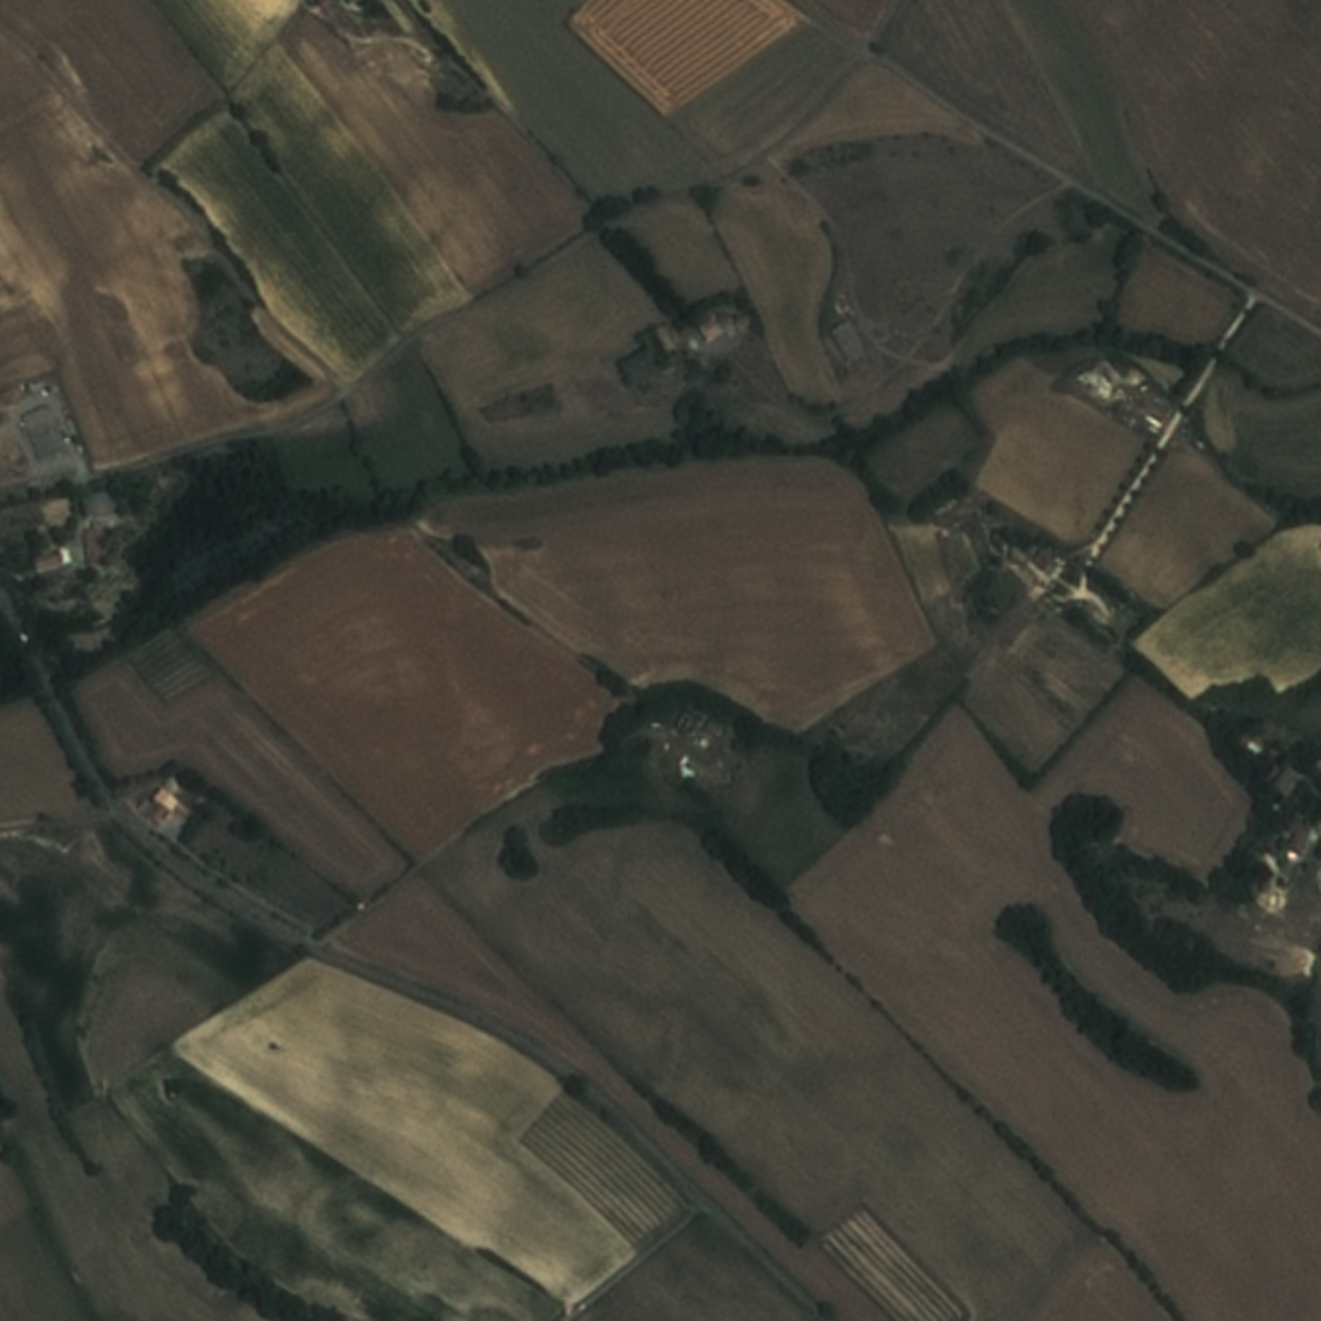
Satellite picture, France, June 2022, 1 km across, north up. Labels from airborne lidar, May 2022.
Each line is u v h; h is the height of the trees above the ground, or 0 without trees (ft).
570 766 18
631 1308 0
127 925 0
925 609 0
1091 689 0
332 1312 24
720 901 0
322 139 0
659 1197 0
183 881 26
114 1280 0
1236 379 0
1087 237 21
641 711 35
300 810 0
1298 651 0
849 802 51
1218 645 0
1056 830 36
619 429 0
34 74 0
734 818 0
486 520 0
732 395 0
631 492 0
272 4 0
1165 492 0
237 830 34
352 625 0
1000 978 0
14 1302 0
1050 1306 0
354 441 25
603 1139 0
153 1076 0
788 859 0
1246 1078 0
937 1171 0
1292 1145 0
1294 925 0
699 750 0
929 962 0
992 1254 0
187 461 28
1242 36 0
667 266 0
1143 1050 57
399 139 0
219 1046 0
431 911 0
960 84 0
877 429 20
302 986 0
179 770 35
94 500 0
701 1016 0
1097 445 0
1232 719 20
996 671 0
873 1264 0
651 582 0
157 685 0
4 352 0
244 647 0
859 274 0
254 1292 31
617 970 0
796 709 0
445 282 0
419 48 0
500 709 0
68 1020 0
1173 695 25
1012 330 0
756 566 0
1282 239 0
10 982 0
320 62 0
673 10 0
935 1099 0
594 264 0
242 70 0
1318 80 0
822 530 0
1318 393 0
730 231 0
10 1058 0
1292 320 0
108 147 0
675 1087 0
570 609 0
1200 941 20
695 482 0
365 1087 0
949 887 0
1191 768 0
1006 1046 0
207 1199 0
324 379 0
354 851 0
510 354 0
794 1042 0
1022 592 0
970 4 0
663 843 0
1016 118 0
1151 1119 0
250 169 0
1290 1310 0
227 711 0
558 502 0
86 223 0
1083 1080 0
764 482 0
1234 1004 0
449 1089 0
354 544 0
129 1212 0
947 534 0
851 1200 0
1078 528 0
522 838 40
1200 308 0
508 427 0
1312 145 0
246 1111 0
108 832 0
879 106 0
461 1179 0
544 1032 0
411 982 0
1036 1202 0
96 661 35
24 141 0
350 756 0
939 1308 0
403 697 0
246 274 27
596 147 0
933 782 0
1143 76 0
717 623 0
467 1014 0
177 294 0
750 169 0
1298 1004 33
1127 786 0
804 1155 0
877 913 0
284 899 0
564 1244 0
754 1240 0
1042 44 0
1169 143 0
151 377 0
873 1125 0
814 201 0
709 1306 0
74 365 0
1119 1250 26
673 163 0
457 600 0
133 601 51
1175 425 0
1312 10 0
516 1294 0
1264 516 0
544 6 0
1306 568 0
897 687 0
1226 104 0
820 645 0
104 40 0
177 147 0
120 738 0
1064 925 0
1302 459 0
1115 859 23
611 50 0
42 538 41
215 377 0
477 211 0
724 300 24
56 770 0
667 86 0
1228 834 0
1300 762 38
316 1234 0
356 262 0
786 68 0
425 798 0
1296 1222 0
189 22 0
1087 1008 56
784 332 0
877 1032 0
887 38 0
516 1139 0
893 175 0
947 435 0
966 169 0
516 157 0
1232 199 0
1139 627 29
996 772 0
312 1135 0
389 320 0
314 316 0
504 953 0
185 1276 0
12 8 0
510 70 0
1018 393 0
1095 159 0
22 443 0
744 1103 0
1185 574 0
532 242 0
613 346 0
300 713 0
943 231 0
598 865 0
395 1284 0
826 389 0
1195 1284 0
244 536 47
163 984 0
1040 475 0
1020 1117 0
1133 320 0
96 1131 0
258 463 62
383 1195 0
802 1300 0
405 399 0
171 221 0
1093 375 0
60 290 0
